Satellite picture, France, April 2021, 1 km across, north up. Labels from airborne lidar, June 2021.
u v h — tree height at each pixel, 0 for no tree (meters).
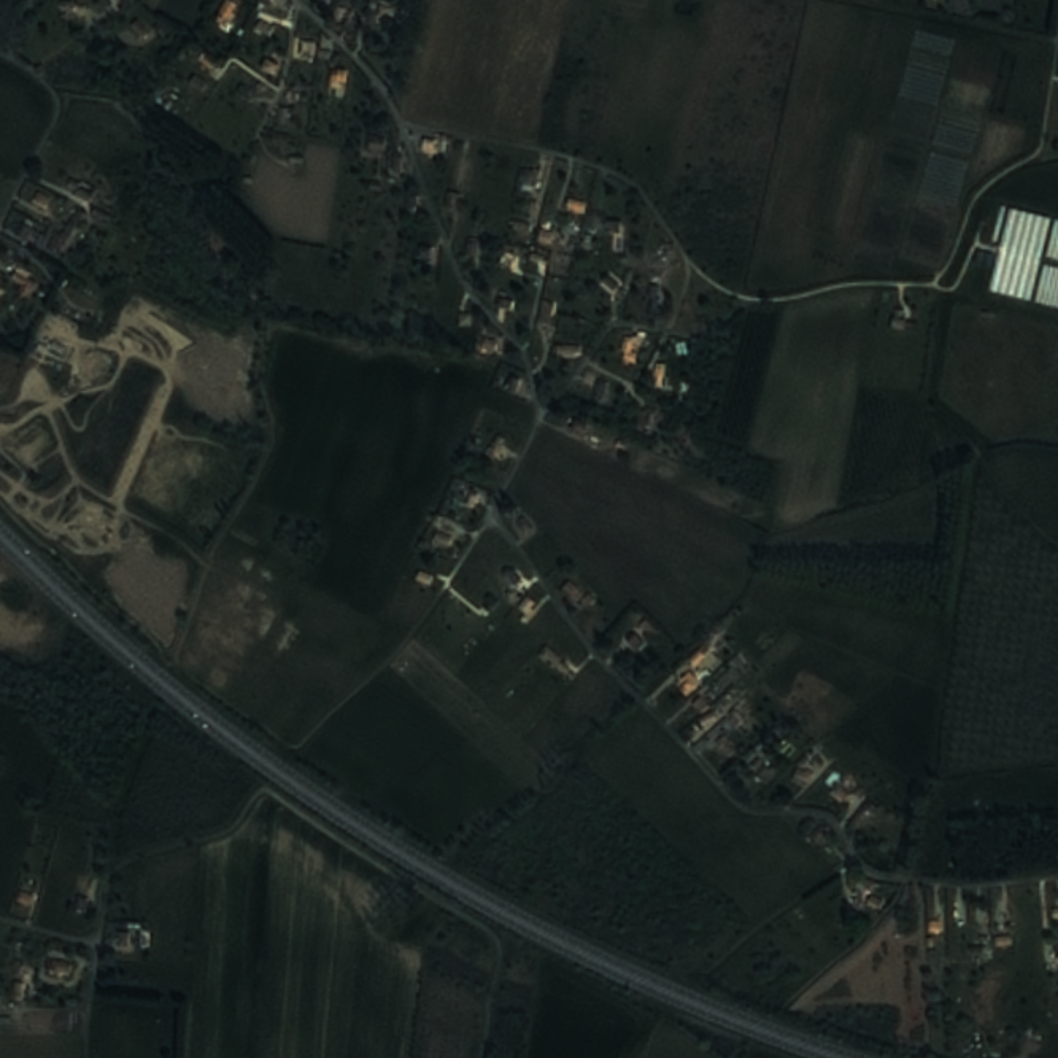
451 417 0
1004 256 0
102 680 7
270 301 18
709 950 0
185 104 0
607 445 0
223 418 0
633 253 11
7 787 0
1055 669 9
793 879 0
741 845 0
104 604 13
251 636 0
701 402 8
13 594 5
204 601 0
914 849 23
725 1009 0
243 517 0
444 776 0
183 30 10
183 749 12
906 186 0
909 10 0
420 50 26
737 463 6
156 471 0
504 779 0
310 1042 0
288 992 0
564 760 17
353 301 0
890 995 0
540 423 0
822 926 0
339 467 0
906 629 0
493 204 0
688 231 0
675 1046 0
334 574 0
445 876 0
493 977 0
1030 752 14
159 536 0
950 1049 8
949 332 0
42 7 7
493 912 0
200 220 18
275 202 0
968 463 13
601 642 7
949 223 0
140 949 0
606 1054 0
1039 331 0
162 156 21
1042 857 16
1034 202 0
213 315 10
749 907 0
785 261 0
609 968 0
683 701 9
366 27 12
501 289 0
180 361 0
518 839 9
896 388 0
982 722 13
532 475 0
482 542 0
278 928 0
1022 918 0
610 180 0
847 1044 6
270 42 8
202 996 0
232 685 0
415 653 0
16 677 15
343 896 0
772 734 13
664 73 0
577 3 0
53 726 22
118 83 16
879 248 0
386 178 8
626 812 5
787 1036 0
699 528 0
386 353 7
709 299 7
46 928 0
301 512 0
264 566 0
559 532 0
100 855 16
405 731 0
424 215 9
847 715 0
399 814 0
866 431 0
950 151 0
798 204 0
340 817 0
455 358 12
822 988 0
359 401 0
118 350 0
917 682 0
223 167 24
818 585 0
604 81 0
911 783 0
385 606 0
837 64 0
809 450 0
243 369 0
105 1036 0
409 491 0
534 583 0
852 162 0
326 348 0
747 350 0
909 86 0
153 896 0
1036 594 11
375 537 0
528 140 0
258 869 0
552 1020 0
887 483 0
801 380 0
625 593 0
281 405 0
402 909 25
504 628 0
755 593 0
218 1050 0
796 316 0
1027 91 0
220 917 0
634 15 0
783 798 12
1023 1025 0
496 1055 16
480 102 0
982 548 15
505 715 0
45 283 7
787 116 0
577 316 7
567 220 7
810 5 0
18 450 0
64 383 0
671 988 0
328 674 0
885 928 0
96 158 0
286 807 0
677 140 0
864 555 0
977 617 16
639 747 0
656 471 0
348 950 0
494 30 0
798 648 0
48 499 0
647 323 7
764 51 0
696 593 0
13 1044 0
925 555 0
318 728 0
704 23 0
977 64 0
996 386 0
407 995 0
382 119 8
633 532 0
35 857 0
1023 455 0
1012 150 0
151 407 0
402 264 7
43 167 9
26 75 0
